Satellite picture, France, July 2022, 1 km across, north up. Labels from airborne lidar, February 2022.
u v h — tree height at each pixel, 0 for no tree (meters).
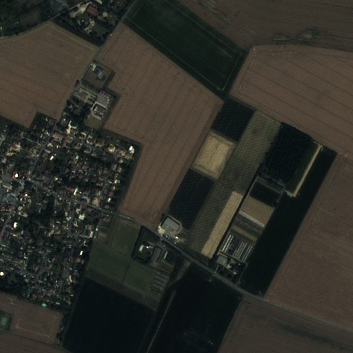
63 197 0
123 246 0
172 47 0
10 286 13
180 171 0
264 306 0
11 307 0
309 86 0
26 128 0
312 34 0
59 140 0
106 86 0
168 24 0
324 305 0
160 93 0
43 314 0
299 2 0
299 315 0
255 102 0
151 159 0
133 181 0
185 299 0
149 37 0
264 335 0
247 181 0
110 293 0
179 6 0
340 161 0
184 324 0
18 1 0
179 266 0
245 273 0
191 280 0
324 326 0
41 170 0
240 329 0
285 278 0
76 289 10
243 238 0
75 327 0
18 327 0
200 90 0
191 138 0
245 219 0
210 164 0
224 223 0
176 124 0
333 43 0
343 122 0
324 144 0
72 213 0
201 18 0
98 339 0
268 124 0
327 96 0
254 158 0
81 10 0
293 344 0
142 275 0
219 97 0
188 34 0
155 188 0
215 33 0
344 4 0
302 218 0
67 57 0
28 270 11
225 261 0
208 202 0
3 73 0
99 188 12
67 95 0
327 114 0
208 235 0
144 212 0
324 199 0
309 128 0
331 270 0
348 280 0
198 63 0
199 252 0
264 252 0
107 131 0
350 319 0
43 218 10
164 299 0
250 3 0
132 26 0
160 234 0
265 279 0
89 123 0
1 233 0
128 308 0
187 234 0
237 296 0
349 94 0
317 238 0
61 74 0
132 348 0
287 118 0
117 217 0
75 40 0
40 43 0
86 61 0
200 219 0
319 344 0
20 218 7
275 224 0
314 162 0
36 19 0
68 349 0
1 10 0
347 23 0
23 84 0
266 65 0
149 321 0
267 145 0
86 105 8
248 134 0
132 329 0
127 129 0
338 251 0
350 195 0
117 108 0
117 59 0
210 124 0
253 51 0
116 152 0
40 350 0
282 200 0
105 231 0
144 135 0
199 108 0
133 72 0
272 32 0
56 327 0
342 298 0
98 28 0
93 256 0
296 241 0
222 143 0
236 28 0
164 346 0
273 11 0
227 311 0
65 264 0
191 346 0
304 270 0
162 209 0
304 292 0
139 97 0
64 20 15
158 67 0
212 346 0
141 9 0
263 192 0
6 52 0
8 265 0
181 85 0
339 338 0
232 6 0
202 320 0
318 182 0
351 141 0
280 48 0
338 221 0
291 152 9
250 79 0
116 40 0
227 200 0
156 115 0
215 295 0
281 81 0
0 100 0
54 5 0
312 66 0
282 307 0
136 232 0
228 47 0
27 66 0
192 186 0
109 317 0
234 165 0
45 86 0
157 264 0
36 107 0
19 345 0
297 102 0
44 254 0
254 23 0
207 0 0
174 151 0
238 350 0
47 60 0
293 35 0
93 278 0
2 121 0
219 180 0
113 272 0
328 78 0
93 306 0
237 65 0
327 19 0
